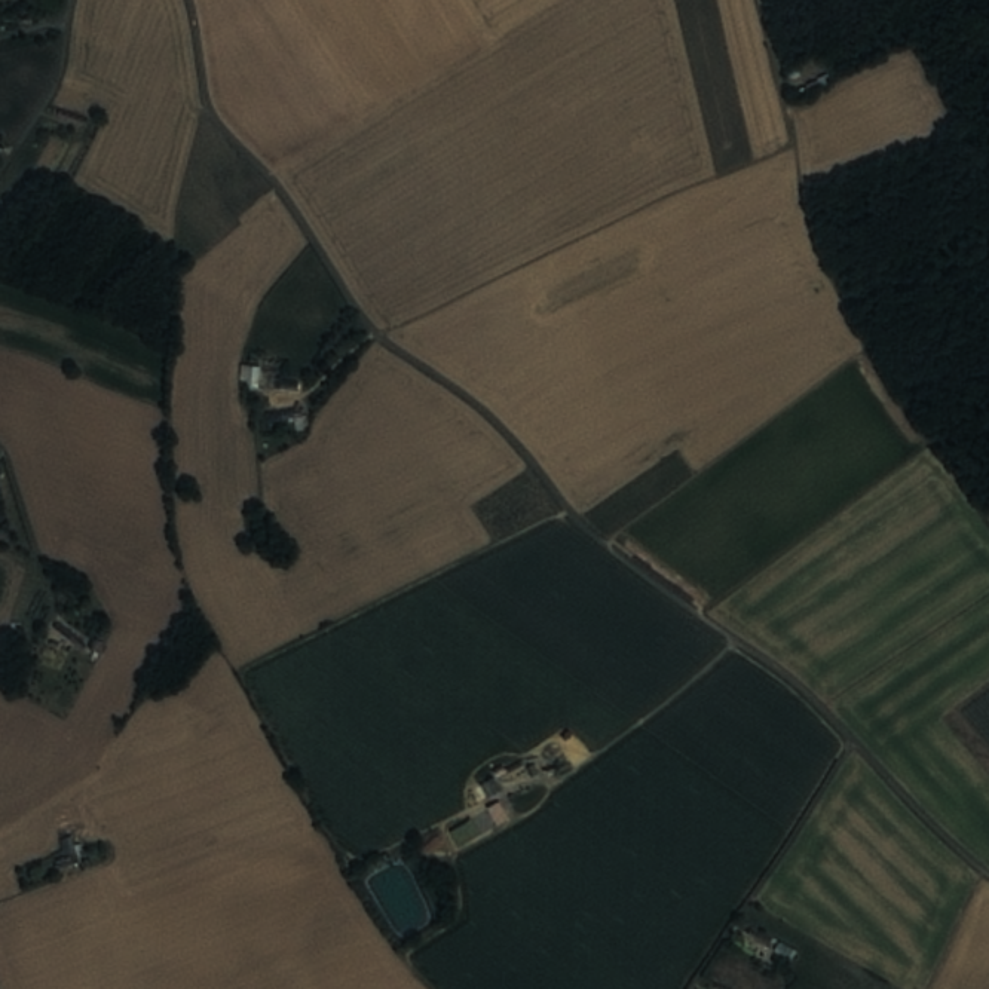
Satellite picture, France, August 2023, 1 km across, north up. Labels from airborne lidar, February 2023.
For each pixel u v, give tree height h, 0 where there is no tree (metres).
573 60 0
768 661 0
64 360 0
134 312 10
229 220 0
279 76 0
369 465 0
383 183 0
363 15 0
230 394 0
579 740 0
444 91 0
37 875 14
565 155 0
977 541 0
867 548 0
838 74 6
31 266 6
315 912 0
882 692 0
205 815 0
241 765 0
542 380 0
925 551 0
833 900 0
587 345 0
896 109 0
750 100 0
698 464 0
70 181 14
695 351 0
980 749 0
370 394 0
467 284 0
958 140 21
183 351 12
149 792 0
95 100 0
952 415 19
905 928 0
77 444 0
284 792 0
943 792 0
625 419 0
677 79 0
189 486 16
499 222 0
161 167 0
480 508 0
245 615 0
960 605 0
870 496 0
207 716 0
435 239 0
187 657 15
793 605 0
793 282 0
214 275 0
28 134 0
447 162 0
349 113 0
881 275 21
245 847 0
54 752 0
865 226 20
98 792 0
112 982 0
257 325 0
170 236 0
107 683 0
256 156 0
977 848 0
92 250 14
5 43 0
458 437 0
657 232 0
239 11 0
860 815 0
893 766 0
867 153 0
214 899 0
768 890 0
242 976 0
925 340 14
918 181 20
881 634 0
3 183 0
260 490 0
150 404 0
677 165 0
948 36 15
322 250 0
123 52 0
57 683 0
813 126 0
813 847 0
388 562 0
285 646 0
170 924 0
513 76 0
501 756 0
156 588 0
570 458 0
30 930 0
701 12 0
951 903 0
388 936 10
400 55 0
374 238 0
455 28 0
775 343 0
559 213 0
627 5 0
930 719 0
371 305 0
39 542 0
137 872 0
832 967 0
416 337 0
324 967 0
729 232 0
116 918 0
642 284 0
